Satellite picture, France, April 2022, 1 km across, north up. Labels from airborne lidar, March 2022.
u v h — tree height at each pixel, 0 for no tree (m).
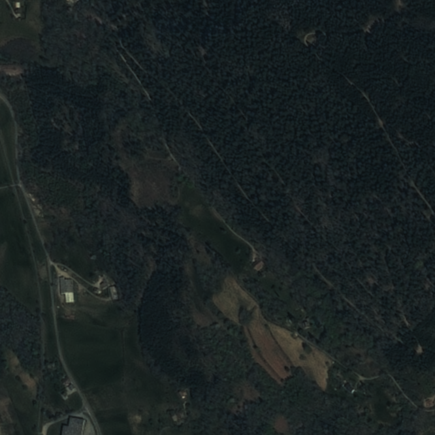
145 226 22
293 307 0
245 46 26
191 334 10
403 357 27
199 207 0
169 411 8
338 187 32
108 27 23
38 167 9
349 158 35
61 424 0
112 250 19
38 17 0
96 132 17
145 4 10
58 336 0
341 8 30
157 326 17
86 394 0
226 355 14
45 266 0
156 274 18
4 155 0
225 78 31
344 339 17
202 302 0
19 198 0
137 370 0
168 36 14
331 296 21
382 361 23
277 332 0
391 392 15
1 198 0
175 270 20
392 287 13
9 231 0
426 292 27
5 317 0
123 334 0
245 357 8
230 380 17
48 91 15
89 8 20
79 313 0
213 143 17
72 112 8
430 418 10
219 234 0
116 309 0
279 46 30
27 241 0
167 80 31
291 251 30
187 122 10
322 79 22
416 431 20
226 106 32
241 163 30
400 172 18
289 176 27
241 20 11
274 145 27
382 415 0
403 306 27
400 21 21
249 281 13
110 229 18
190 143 26
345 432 24
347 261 21
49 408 0
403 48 19
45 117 13
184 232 26
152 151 27
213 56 26
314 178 22
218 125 24
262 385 22
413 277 36
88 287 0
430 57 21
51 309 0
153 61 25
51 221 0
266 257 19
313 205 27
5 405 0
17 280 0
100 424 0
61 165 13
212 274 17
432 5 17
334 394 0
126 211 22
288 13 31
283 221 35
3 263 0
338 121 28
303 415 17
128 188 16
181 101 26
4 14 0
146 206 0
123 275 28
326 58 22
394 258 28
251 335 0
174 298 8
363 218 27
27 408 0
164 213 22
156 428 0
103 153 27
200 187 27
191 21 15
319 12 30
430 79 17
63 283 0
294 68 26
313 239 37
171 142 26
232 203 25
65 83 21
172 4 10
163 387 0
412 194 27
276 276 14
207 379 9
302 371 10
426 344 17
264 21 29
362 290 30
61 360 0
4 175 0
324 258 34
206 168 25
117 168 9
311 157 26
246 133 27
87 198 14
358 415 23
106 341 0
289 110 36
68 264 0
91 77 22
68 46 24
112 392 0
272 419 16
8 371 0
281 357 0
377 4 31
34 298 0
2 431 0
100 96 17
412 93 19
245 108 16
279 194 14
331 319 20
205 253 0
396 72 18
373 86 25
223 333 13
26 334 0
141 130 18
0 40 0
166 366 19
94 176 15
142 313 21
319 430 19
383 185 33
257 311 0
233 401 15
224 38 22
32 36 0
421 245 30
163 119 27
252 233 27
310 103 37
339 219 26
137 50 24
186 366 10
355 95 17
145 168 0
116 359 0
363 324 33
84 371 0
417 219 28
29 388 0
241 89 33
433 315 14
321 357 0
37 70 19
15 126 0
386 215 31
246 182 34
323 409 16
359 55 20
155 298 13
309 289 19
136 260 12
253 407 22
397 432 20
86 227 27
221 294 0
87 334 0
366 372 0
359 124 19
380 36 20
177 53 24
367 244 27
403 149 25
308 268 31
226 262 7
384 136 30
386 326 27
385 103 20
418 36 18
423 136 18
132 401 0
